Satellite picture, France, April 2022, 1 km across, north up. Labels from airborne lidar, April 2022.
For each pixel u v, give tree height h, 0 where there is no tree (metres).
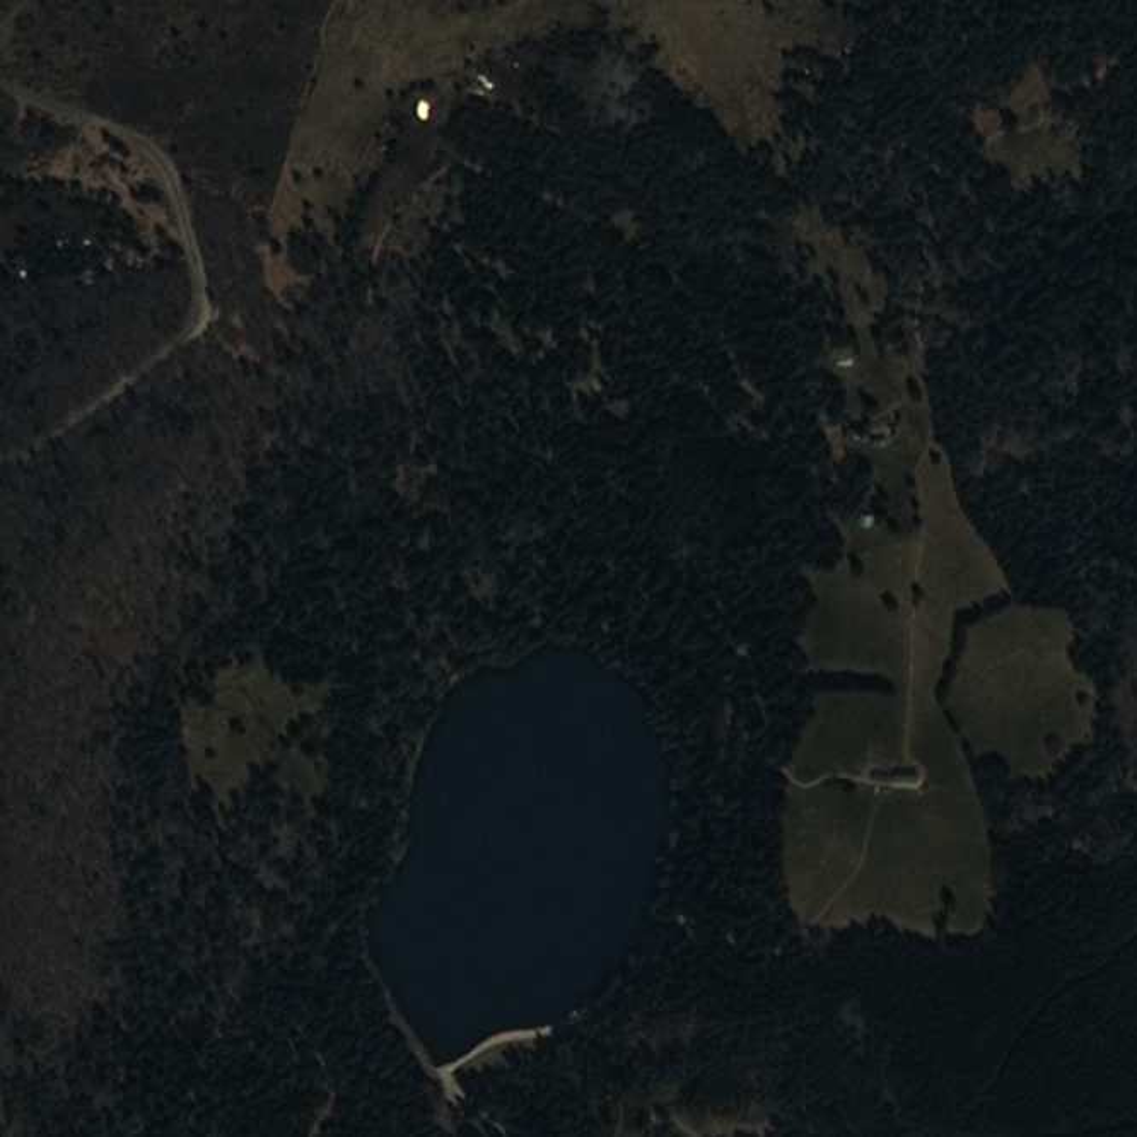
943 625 0
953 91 19
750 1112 23
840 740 0
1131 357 22
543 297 14
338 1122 16
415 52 0
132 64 0
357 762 28
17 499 12
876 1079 19
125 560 20
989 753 0
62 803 18
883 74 15
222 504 23
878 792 0
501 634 29
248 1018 23
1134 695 18
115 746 16
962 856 0
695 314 20
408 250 12
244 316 10
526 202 27
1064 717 0
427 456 27
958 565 0
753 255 20
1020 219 31
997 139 0
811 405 22
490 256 9
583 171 18
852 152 23
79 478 12
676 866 16
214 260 9
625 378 26
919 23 18
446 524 17
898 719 0
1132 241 26
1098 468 23
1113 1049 21
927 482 0
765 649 20
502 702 0
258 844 18
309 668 13
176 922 20
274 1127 20
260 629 35
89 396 13
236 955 19
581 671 0
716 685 17
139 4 0
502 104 7
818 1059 24
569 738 0
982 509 14
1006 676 0
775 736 9
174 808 21
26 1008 17
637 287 31
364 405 16
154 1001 10
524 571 13
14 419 12
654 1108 0
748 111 0
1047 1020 16
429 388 37
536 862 0
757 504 8
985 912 0
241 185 0
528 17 0
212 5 0
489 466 21
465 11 7
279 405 17
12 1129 22
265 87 0
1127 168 30
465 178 12
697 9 0
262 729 0
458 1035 0
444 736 0
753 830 19
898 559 0
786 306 7
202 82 0
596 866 0
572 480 21
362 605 25
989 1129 18
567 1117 31
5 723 15
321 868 16
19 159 12
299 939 15
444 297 18
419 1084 25
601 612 23
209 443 17
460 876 0
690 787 15
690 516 21
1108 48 17
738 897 8
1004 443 17
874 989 17
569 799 0
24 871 15
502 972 0
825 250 0
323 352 9
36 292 12
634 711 0
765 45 0
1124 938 17
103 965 24
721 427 24
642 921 0
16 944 18
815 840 0
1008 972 20
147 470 13
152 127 0
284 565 27
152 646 16
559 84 10
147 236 0
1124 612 17
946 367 23
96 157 0
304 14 0
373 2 0
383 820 14
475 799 0
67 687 17
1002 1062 17
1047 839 12
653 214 19
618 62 0
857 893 0
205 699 14
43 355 14
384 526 13
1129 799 8
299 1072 24
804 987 21
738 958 17
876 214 24
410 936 0
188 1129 20
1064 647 0
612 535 22
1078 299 33
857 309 0
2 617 14
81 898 24
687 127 15
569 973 0
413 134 0
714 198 19
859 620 0
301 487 23
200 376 12
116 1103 15
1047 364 31
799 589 21
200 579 25
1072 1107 18
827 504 13
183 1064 14
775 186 15
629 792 0
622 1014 25
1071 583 21
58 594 13
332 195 0
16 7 0
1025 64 25
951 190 16
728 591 16
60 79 0
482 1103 32
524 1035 0
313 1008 20
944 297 19
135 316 13
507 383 16
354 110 0
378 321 15
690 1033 0
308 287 0
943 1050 17
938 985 19
